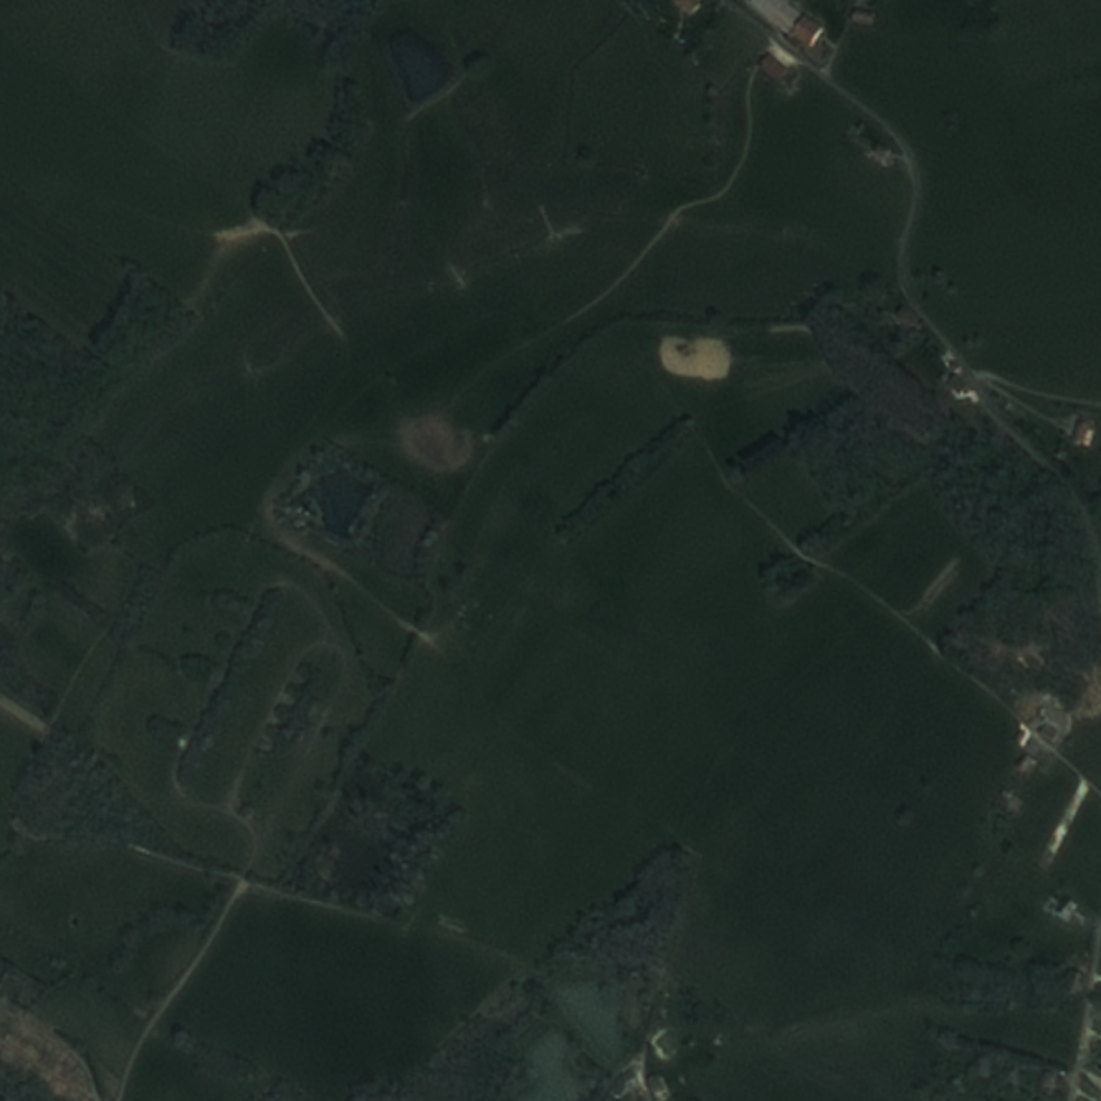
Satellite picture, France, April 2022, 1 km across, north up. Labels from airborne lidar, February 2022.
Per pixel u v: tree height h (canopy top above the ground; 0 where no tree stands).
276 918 0
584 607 0
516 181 0
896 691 0
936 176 0
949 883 0
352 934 0
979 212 0
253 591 0
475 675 0
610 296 0
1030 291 0
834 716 0
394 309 0
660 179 0
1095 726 0
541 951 0
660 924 24
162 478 0
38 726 0
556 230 0
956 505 17
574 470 0
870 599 0
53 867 0
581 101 0
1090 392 0
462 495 0
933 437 30
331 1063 0
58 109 0
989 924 0
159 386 0
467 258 0
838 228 0
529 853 0
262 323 0
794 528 0
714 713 0
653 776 0
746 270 0
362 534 11
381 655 0
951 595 0
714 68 0
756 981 0
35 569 0
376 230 0
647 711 0
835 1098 0
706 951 0
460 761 0
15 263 0
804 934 0
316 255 0
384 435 0
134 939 16
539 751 0
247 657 9
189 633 12
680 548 0
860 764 0
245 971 0
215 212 0
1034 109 0
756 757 0
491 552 0
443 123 0
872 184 0
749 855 0
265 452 0
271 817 0
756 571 0
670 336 0
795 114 0
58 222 0
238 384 0
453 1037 0
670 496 0
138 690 0
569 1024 0
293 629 0
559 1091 0
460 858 0
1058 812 0
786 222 0
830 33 0
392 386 13
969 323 0
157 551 0
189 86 0
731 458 0
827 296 14
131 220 0
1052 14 0
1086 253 0
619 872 0
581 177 0
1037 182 0
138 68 0
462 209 0
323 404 0
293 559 10
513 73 0
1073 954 0
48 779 18
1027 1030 0
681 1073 0
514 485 0
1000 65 0
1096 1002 13
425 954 0
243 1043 0
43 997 6
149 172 0
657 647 0
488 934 0
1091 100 0
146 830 6
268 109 0
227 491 0
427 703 0
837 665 0
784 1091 0
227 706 12
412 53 0
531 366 0
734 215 0
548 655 0
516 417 13
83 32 0
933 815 0
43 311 0
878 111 0
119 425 0
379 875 0
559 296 0
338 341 0
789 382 0
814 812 0
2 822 0
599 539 0
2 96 0
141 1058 0
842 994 0
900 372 34
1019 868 0
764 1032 0
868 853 0
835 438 27
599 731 0
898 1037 0
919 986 0
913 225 0
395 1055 0
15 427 27
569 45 0
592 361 0
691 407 0
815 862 0
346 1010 0
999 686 0
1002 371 0
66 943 0
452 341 0
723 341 0
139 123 0
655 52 0
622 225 0
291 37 0
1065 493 27
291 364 0
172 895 0
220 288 0
